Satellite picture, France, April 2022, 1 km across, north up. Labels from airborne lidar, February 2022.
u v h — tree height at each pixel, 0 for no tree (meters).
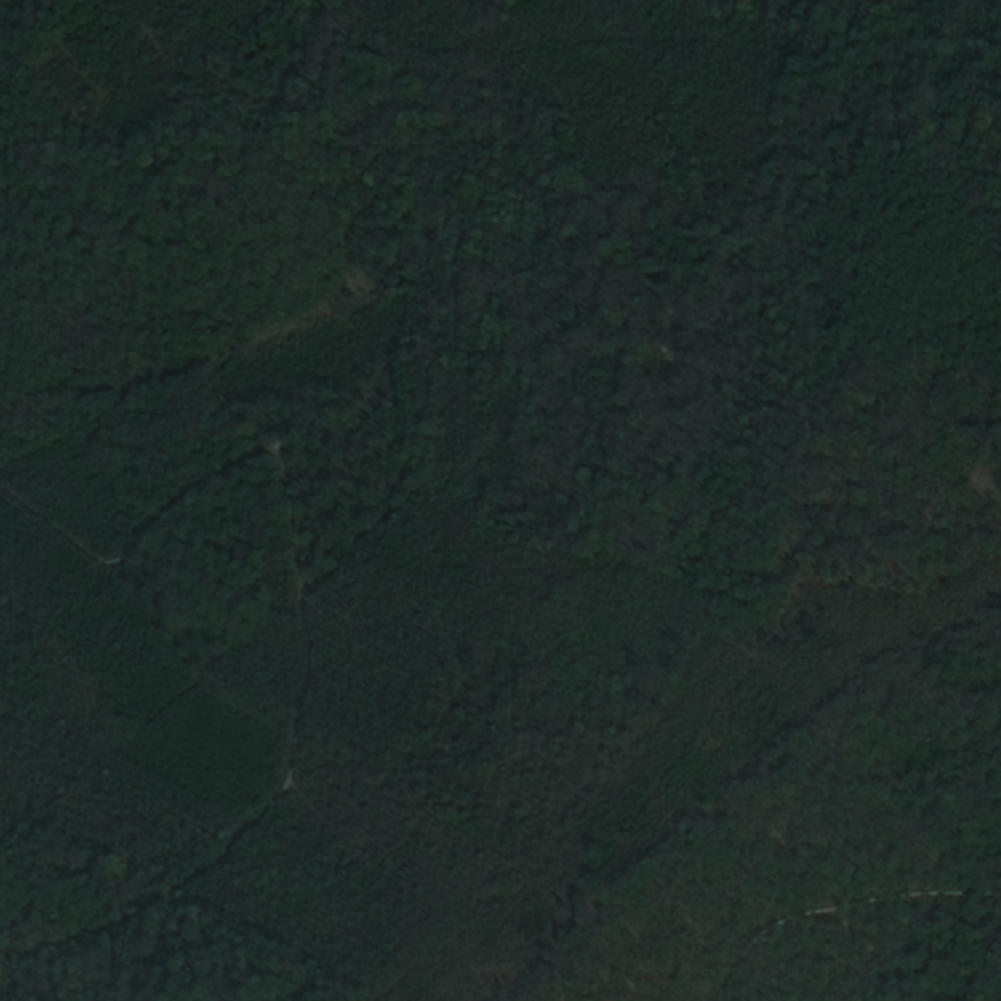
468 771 7
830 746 30
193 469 28
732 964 22
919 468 28
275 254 29
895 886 26
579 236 13
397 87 19
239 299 26
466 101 28
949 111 27
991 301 25
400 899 10
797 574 16
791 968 31
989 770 30
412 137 22
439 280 20
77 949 19
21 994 27
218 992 29
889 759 20
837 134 28
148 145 28
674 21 9
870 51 26
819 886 30
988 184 20
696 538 19
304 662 15
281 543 26
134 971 30
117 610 6
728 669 7
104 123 6
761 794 29
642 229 29
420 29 8
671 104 7
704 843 24
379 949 14
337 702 15
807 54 29
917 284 20
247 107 27
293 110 29
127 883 30
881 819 30
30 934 30
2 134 27
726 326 29
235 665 20
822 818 34
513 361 24
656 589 14
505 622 15
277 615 20
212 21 10
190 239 26
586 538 27
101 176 25
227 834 18
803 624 11
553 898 7
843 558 26
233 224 27
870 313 21
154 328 26
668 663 21
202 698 7
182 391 28
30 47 28
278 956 29
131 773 19
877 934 32
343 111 30
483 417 14
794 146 29
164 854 20
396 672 17
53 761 17
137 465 26
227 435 24
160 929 32
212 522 21
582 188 29
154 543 30
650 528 29
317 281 24
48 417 27
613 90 5
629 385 30
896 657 14
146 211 27
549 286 26
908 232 22
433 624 14
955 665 28
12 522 9
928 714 26
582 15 7
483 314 16
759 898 25
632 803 7
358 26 11
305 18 31
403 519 8
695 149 12
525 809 8
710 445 28
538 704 8
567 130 22
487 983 6
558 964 25
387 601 15
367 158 25
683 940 22
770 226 30
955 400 27
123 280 17
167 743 9
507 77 12
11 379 27
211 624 25
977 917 23
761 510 24
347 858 7
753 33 7
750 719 9
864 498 27
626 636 13
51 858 31
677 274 29
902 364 25
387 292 19
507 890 9
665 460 29
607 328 29
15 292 25
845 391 27
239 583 26
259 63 31
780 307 25
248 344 25
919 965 26
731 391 30
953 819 29
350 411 27
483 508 24
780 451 27
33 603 22
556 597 20
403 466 27
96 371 24
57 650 19
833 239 21
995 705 31
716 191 20
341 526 27
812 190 28
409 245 29
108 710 12
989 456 26
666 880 25
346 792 7
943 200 20
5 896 31
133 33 5
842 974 30
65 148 33
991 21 7
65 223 29
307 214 29
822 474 28
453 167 26
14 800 16
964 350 22
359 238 30
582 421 24
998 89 28
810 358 23
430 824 6
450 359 21
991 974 23
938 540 25
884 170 23
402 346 10
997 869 24
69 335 28
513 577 15
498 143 20
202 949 31
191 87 28
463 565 7
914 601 7
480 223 15
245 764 9
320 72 33
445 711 16
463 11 13
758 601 22
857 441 27
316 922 14
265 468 20
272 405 29
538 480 16
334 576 12
